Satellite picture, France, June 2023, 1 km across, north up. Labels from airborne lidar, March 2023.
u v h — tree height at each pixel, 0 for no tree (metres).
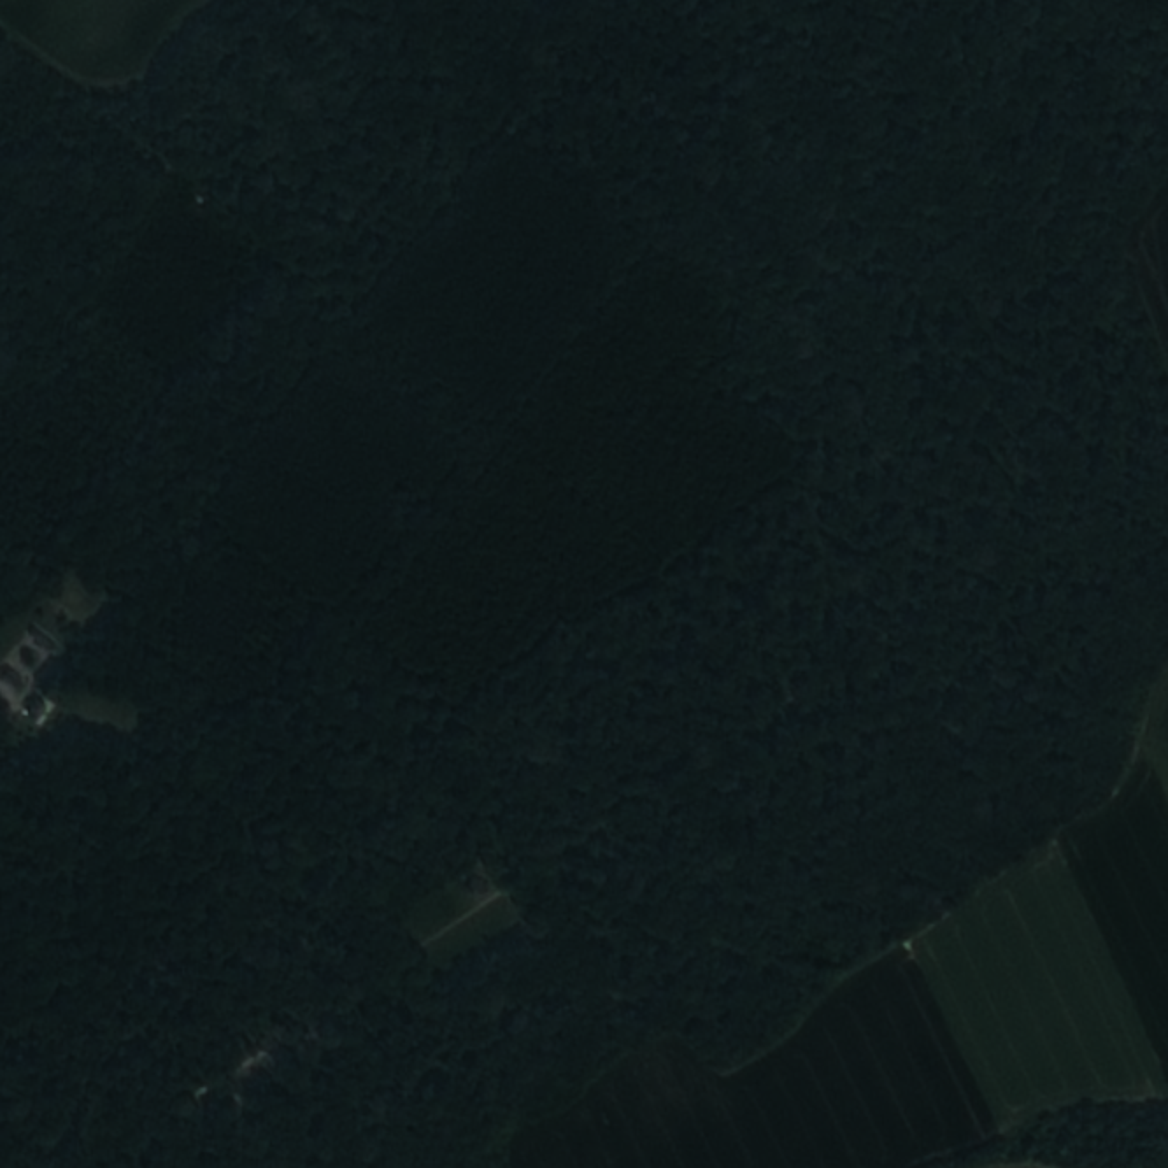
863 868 24
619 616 29
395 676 25
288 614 12
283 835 21
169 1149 24
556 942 23
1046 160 20
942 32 22
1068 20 24
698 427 20
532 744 28
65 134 12
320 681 25
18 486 17
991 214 21
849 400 25
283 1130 24
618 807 27
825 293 24
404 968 26
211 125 25
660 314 20
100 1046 24
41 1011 26
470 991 26
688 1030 16
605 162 24
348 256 26
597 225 20
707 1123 0
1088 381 22
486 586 19
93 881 25
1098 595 23
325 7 23
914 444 27
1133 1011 0
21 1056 26
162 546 25
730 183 22
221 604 16
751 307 24
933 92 23
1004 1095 0
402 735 25
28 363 22
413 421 22
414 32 27
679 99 26
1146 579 20
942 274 25
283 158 23
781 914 17
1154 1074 0
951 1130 0
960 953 0
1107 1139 15
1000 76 24
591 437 19
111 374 14
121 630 22
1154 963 0
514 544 17
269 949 30
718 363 19
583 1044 18
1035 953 0
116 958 27
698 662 24
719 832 23
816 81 24
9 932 27
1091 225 17
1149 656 16
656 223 20
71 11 0
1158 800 0
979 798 25
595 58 27
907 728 27
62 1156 26
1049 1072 0
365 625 18
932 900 19
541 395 21
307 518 25
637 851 26
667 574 15
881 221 25
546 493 17
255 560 16
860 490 28
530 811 26
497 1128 8
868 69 22
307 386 24
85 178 24
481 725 21
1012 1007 0
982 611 24
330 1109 25
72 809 25
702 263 20
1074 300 25
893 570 22
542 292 23
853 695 19
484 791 26
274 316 26
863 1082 0
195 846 23
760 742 25
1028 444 24
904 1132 0
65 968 26
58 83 9
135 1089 23
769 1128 0
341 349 20
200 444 21
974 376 24
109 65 0
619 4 26
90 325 17
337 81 27
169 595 21
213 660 13
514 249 22
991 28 22
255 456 23
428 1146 20
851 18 23
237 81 23
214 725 22
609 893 25
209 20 18
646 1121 0
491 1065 25
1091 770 17
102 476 28
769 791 22
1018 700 23
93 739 22
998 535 25
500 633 16
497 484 21
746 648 26
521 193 23
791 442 16
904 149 21
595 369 21
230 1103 24
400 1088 19
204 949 25
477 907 0
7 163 26
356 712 25
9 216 23
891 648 13
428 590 19
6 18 0
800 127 21
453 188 23
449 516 20
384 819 24
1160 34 23
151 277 6
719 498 20
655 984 24
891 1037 0
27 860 21
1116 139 8
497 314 22
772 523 26
